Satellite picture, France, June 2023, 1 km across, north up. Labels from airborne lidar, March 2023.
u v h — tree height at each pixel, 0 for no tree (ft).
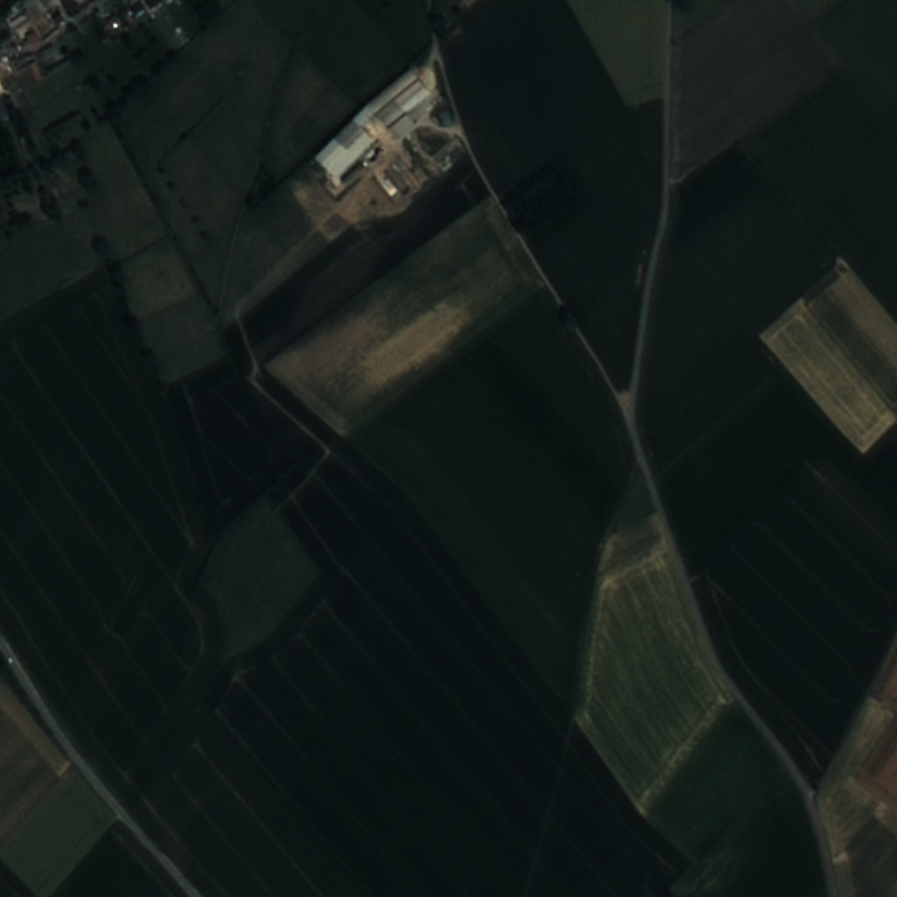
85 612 0
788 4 0
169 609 0
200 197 0
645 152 0
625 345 0
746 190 0
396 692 0
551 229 0
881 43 0
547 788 0
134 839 0
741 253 0
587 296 0
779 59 0
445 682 0
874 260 0
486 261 0
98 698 0
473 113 0
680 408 0
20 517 0
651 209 0
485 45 0
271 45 0
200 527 0
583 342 0
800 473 0
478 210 0
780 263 0
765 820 0
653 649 0
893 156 0
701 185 0
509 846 0
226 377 0
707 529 0
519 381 0
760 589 0
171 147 0
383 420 0
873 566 0
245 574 0
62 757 0
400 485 0
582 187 0
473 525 0
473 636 0
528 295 0
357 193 0
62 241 0
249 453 0
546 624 0
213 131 0
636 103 0
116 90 0
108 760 0
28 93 0
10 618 0
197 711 0
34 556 0
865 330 0
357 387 0
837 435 0
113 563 0
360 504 0
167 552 0
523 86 0
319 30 0
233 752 0
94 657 0
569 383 0
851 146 0
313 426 0
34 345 0
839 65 0
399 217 0
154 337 0
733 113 0
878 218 0
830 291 0
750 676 0
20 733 0
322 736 0
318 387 0
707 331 0
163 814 0
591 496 0
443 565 0
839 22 0
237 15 0
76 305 0
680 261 0
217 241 0
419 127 0
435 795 0
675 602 0
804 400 0
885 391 0
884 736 0
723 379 0
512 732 0
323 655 0
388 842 0
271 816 0
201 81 0
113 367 0
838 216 0
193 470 0
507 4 0
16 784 0
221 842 0
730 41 0
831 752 0
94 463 0
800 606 0
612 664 0
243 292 0
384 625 0
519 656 0
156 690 0
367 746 0
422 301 0
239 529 0
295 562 0
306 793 0
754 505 0
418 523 0
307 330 0
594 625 0
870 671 0
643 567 0
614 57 0
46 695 0
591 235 0
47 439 0
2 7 28
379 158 0
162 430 0
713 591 0
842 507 0
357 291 0
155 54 0
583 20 0
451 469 0
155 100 0
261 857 0
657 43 0
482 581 0
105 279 0
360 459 0
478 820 0
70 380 0
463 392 0
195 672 0
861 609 0
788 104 0
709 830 0
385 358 0
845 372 0
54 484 0
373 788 0
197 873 0
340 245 0
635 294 0
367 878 0
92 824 0
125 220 0
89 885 0
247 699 0
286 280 0
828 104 0
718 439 0
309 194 0
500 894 0
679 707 0
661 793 0
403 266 0
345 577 0
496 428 0
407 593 0
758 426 0
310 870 0
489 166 0
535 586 0
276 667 0
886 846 0
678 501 0
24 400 0
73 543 0
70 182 0
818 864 0
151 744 0
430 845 0
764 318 0
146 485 0
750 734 0
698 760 0
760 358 0
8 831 0
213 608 0
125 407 0
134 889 0
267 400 0
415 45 0
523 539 0
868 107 0
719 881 0
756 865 0
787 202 0
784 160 0
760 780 0
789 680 0
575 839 0
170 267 0
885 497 0
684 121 0
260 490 0
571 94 0
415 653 0
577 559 0
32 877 0
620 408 0
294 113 0
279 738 0
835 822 0
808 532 0
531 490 0
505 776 0
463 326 0
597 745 0
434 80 0
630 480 0
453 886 0
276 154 0
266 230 0
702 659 0
